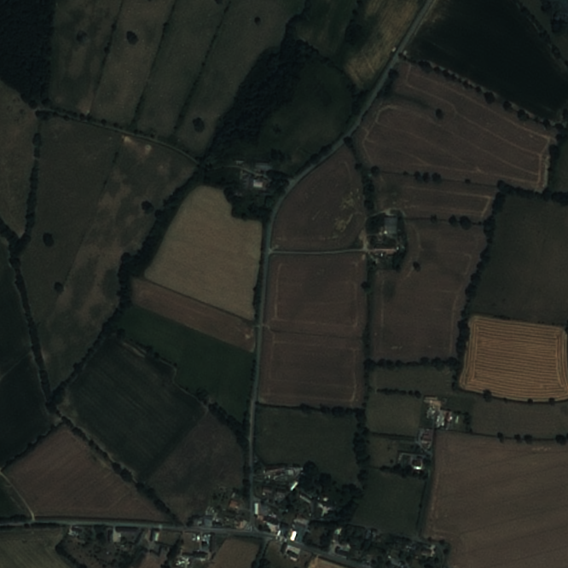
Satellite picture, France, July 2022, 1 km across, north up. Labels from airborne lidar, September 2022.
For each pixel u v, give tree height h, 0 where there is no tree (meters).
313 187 0
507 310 0
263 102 19
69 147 0
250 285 0
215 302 0
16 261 14
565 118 14
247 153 0
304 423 0
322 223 0
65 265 0
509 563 0
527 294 0
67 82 0
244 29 0
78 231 0
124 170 0
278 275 0
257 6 0
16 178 0
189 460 0
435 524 0
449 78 18
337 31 0
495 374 0
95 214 0
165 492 0
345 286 0
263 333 0
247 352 0
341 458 0
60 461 0
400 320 0
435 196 0
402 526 0
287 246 0
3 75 16
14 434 0
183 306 0
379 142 0
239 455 0
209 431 0
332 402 0
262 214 9
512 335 0
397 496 0
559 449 0
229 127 16
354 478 0
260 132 16
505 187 15
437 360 12
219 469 0
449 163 0
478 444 0
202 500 0
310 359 0
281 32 0
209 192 0
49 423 0
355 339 0
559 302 0
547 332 0
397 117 0
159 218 16
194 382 0
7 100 0
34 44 16
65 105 0
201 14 0
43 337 0
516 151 0
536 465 0
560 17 8
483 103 0
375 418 0
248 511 0
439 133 0
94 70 0
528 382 0
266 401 0
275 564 0
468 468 0
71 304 0
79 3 0
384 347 0
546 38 15
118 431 0
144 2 0
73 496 0
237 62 0
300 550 0
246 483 11
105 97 0
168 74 0
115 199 0
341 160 0
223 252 0
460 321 0
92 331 0
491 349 0
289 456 0
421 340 0
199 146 0
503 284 0
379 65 0
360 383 0
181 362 0
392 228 0
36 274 0
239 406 0
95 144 0
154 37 0
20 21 18
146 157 0
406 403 0
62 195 0
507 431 0
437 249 0
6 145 0
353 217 0
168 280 0
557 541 0
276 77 22
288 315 0
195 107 0
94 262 0
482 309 0
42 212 0
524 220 0
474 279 14
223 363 0
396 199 0
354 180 0
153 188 0
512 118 0
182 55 0
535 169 0
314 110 0
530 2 0
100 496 0
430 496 0
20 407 0
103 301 0
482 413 0
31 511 0
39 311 0
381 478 0
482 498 0
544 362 0
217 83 0
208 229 0
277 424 0
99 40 0
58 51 0
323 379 0
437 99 0
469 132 0
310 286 0
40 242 0
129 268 16
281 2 0
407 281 0
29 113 0
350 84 6
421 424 0
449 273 0
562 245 0
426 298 0
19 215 0
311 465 12
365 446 19
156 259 0
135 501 0
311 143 0
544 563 0
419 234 0
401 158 0
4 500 0
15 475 0
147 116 0
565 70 0
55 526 9
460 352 13
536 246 0
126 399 0
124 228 0
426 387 0
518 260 0
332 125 0
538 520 0
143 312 0
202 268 0
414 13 0
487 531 0
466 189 0
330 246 0
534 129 0
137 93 0
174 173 0
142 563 0
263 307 0
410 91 0
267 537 0
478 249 0
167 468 0
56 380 0
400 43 0
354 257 0
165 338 0
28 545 0
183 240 0
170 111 0
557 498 0
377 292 0
